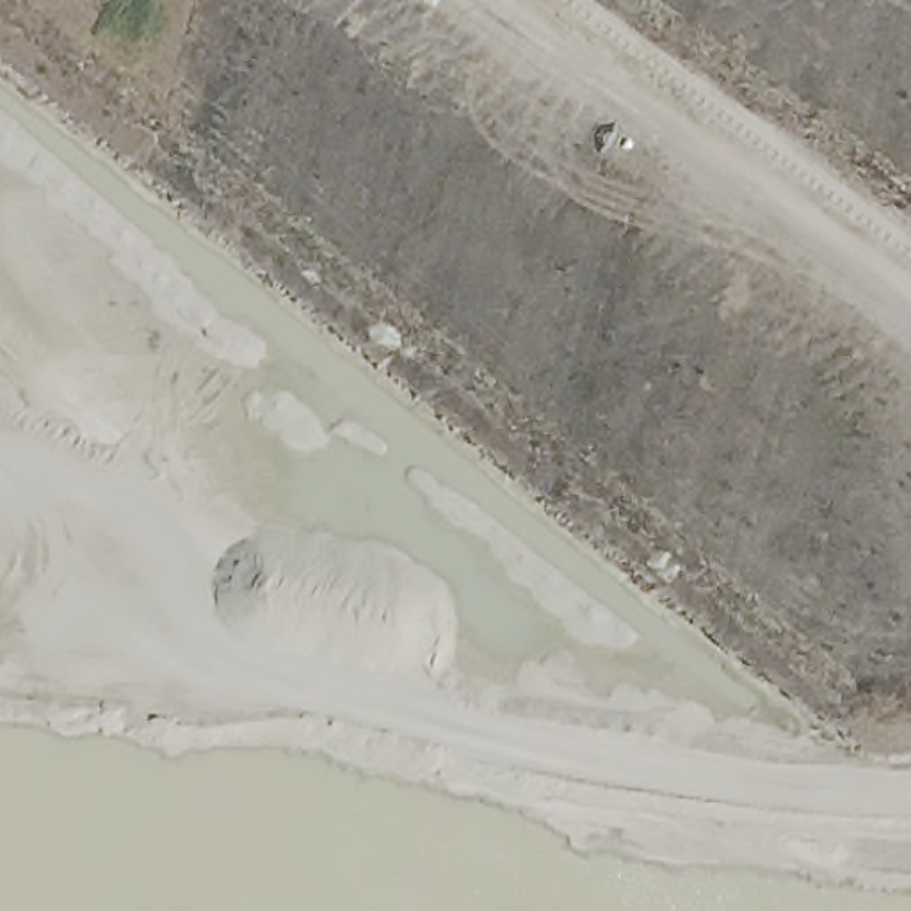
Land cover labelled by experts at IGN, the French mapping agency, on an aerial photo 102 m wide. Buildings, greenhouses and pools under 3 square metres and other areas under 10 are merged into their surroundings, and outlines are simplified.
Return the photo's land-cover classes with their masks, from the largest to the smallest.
<instances>
[{"label":"herbaceous vegetation","instance_id":"1","mask_svg":"<svg viewBox=\"0 0 911 911\"><path fill-rule=\"evenodd\" d=\"M103 0H0V82H7L21 100H39L64 110L71 125L89 132L96 146H107L114 160L128 157V171H149L153 192L160 199H174L185 214L196 210L203 235L221 231L228 246L242 249V263L256 267V278L263 285H281L292 302H302L306 310H313V317H324L327 335L356 342L363 363L374 367L388 363V367H391L388 374H391V377H402V381H406V388H409V395L431 402L438 420L463 427V441L484 445L488 459L505 477L523 480L537 495V502H544L548 516H555L566 530L598 548L601 559L619 566L633 587L655 591L665 609L701 626V633L715 644L737 651V658L754 676L776 683L783 697L801 701L818 719L840 722L854 719L858 712H868V719L875 722H911V352L875 324L861 320L858 306L840 302V295L826 292L811 278L783 274L786 256L776 246L751 238L744 231H722L715 224L690 221L680 210V203L655 192V181L605 157V135L612 132L609 121H601L591 107H576L566 96H548L541 82L512 78L509 64L480 50L473 36L456 28L438 7L416 0H153L149 18L142 25V39H128L93 32ZM616 18H623L637 36L680 57L690 71L712 78L744 110L772 121L779 132L804 142L808 153L822 157L847 185L861 189L879 206H893L911 217V0H594Z\"/></svg>","mask_w":911,"mask_h":911},{"label":"pervious surface","instance_id":"2","mask_svg":"<svg viewBox=\"0 0 911 911\"><path fill-rule=\"evenodd\" d=\"M438 7L456 28L473 36L480 50L509 64L512 78L541 82L548 96H566L576 107H591L601 121H609L612 132L605 135V157L655 181V192L680 203V210L690 221L715 224L722 231H744L751 238L776 246L786 256L783 274L811 278L826 292L840 295V302L858 306L861 320L875 324L911 352V217L893 206H879L861 189L847 185L822 157L808 153L804 142L779 132L772 121L744 110L712 78L690 71L680 57L637 36L623 18H616L594 0H416ZM320 402V391L299 374L285 345L270 349L253 327L221 317L217 306L181 274V267L167 253H160L128 217H121L100 192H93L71 167H64L50 149H43L28 132L18 128V121H11L0 110V722L46 726L60 737L110 733L121 740H135L142 747H160L167 754L203 747L313 751L363 772H381L406 783H427L452 794H473L509 808H523L527 815L566 833L576 851H623L630 858H648L662 865H762L783 872H808L822 883L854 879L858 886L911 890V722H875L868 719V712H858L854 719L840 722L818 719L801 701L783 697L776 683L754 676L737 658V651L715 644L708 655L719 662L726 676L715 690L737 719H712L708 708L694 701H676L658 690L637 687H619L612 697H594L584 690V680L569 655H555L544 665L527 662L520 669V680L512 683H491L484 676L459 673L452 655L459 623L445 580L416 566L402 548L381 541H342L327 530L310 534L299 527L295 516L274 509L285 498L288 484L302 480L306 459L313 452L345 438L356 448L384 456L388 441L359 423H349L338 409H324L317 416L313 406ZM391 367H388V363L374 367V370H370V381H374L377 388H384V391H388L391 399H399V402H406L409 395V388H406V381H402V377H391V374H388ZM413 484L427 495L431 509L445 516L448 527L484 541L495 562L502 566L505 580L527 587L530 601L541 612L559 616L569 637L619 651L633 648V626L616 619L587 591L566 580L512 530H505L459 491L438 484L431 473H413Z\"/></svg>","mask_w":911,"mask_h":911},{"label":"water","instance_id":"3","mask_svg":"<svg viewBox=\"0 0 911 911\"><path fill-rule=\"evenodd\" d=\"M0 110L11 121H18V128L28 132L43 149H50L64 167H71L93 192H100L121 217H128L160 253H167L181 267V274L217 306L221 317L253 327L270 349L285 345L299 374L320 391V402L313 406L317 416L324 409H338L349 423H359L388 441L384 456L356 448L345 438L313 452L306 459L302 480L288 484L285 498L274 509L295 516L299 527L310 534L327 530L342 541H381L402 548L416 566L445 580L459 623L452 655L459 673L484 676L491 683H512L520 680V669L527 662L544 665L555 655H569L584 680V690L594 697H612L619 687H637L658 690L676 701H694L708 708L712 719H737L715 690L726 676L719 662L708 655L715 644L701 633V626L665 609L655 591L633 587L619 566L601 559L598 548L566 530L555 516H548L544 502H537V495L523 480L505 477L488 459L484 445L463 441V427L438 420L431 402L409 395L406 402H399V399H391L388 391H384V388H377L374 381H370V370H374V367L363 363L356 342L327 335L324 317H313V310H306L302 302H292L281 285H263L256 278V267L242 263V249L228 246L221 231L203 235L196 210L185 214L174 199H160L153 192L149 171H128V157L114 160L107 146H96L89 132L71 125L64 110L39 100H21L7 82H0ZM413 473H431L438 484L459 491L505 530H512L566 580L587 591L616 619L633 626V648L619 651L569 637L559 616L541 612L530 601L527 587L505 580L502 566L495 562L484 541L448 527L445 516L431 509L427 495L413 484ZM0 911H911V890L858 886L854 879L822 883L808 872H783L762 865H662L648 858H630L623 851H576L566 833L527 815L523 808H509L473 794H452L427 783H406L381 772H363L313 751L203 747L167 754L160 747H142L135 740H121L110 733L60 737L46 726L0 722Z\"/></svg>","mask_w":911,"mask_h":911},{"label":"brushwood","instance_id":"4","mask_svg":"<svg viewBox=\"0 0 911 911\"><path fill-rule=\"evenodd\" d=\"M153 0H103L93 32L128 39H142V25L149 18Z\"/></svg>","mask_w":911,"mask_h":911}]
</instances>
